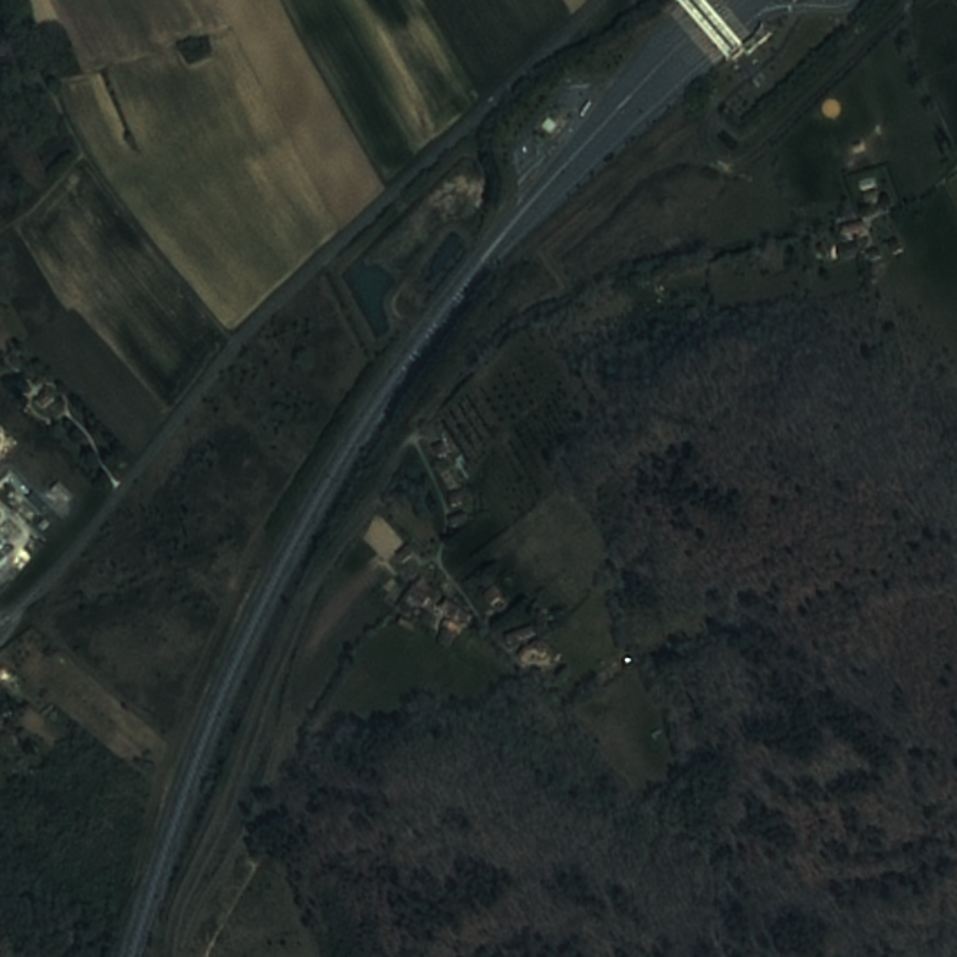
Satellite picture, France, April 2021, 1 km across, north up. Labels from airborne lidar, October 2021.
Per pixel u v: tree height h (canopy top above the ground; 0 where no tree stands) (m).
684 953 16
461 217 0
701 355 20
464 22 0
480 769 17
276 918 0
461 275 0
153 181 0
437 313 0
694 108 8
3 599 0
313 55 0
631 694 0
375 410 0
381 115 0
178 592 8
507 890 18
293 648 0
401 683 0
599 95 0
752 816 25
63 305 0
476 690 0
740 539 8
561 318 12
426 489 8
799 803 14
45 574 0
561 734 15
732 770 15
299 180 0
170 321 0
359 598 0
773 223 0
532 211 0
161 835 0
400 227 0
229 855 0
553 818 19
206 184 0
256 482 0
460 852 11
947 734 6
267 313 0
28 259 0
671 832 21
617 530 9
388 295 0
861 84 0
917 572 16
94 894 7
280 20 0
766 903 16
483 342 0
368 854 7
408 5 0
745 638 12
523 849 18
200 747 0
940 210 0
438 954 12
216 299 0
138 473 0
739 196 0
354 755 23
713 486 15
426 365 11
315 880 8
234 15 0
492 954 14
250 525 0
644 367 16
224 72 0
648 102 0
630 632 22
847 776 16
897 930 12
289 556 0
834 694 13
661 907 20
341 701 0
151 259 0
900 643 9
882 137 0
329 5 0
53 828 6
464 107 0
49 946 17
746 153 0
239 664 0
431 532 0
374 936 8
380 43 0
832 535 7
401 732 19
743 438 8
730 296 0
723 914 22
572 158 0
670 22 0
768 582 9
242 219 0
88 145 0
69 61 16
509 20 0
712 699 17
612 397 16
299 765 11
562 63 9
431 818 14
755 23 0
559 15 0
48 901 14
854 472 19
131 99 0
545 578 0
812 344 15
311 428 0
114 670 0
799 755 17
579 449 22
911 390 17
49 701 11
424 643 0
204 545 0
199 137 0
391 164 0
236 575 0
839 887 7
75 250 0
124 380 0
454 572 0
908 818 13
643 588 21
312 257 0
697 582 10
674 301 8
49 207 0
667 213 0
